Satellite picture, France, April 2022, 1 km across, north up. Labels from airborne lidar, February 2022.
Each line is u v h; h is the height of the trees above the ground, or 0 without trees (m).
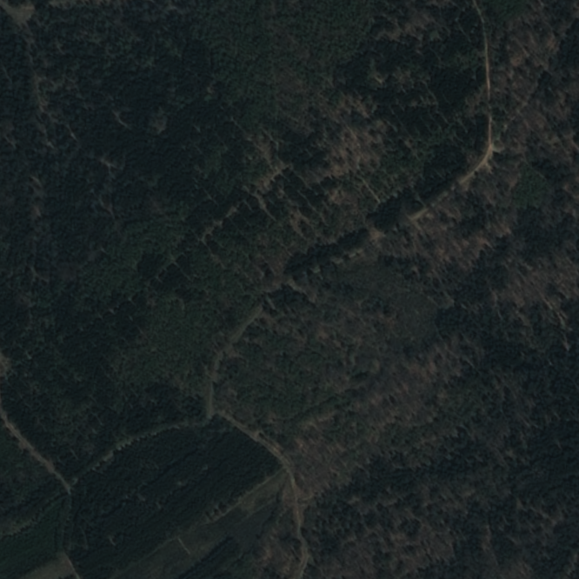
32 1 16
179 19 13
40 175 39
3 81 17
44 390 12
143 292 8
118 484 10
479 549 19
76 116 8
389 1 11
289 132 8
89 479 12
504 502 21
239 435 15
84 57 10
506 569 18
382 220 15
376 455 18
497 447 18
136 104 10
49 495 19
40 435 13
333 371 22
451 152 12
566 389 34
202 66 15
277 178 8
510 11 15
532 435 24
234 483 12
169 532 12
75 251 12
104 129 15
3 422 13
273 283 13
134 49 13
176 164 11
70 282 8
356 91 6
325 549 15
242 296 12
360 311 19
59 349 12
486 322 31
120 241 12
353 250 23
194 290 12
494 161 9
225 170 15
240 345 9
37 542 9
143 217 8
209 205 11
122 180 15
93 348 12
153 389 16
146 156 14
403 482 20
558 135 21
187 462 18
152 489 19
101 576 10
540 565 20
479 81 14
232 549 17
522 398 15
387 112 16
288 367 14
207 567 20
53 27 11
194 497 19
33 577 0
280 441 14
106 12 15
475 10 8
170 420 16
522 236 20
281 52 6
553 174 22
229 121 8
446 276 25
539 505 19
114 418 18
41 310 14
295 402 11
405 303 7
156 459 12
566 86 16
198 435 13
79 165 11
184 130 14
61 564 0
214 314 15
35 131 20
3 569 8
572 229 22
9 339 13
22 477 17
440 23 14
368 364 28
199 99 12
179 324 18
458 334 37
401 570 13
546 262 25
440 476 18
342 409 13
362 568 17
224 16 8
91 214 13
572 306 14
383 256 23
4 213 17
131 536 15
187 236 12
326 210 8
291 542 19
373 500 17
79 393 14
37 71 22
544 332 9
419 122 11
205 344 20
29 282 14
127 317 10
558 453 25
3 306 13
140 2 14
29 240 19
